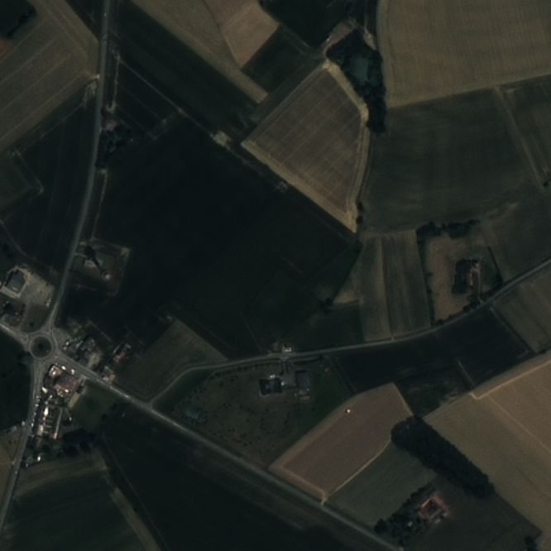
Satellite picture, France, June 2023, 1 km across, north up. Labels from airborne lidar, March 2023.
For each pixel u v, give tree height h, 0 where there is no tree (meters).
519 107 0
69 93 0
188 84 0
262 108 0
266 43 0
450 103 0
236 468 0
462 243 0
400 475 0
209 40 0
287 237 0
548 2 0
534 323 0
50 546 0
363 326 0
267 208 0
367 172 0
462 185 0
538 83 0
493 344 0
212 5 0
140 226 0
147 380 0
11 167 0
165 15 0
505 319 0
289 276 0
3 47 0
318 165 0
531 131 0
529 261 0
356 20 0
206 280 0
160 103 0
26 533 0
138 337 0
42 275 0
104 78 0
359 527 0
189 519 0
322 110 0
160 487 0
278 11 0
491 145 0
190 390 0
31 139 0
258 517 0
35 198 0
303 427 0
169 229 0
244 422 0
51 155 0
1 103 0
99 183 0
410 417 0
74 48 0
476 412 0
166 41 0
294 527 0
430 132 0
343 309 0
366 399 0
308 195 0
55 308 0
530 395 0
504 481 0
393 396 0
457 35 0
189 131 0
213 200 0
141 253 0
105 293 0
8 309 17
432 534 0
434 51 0
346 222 0
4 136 0
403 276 0
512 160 0
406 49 0
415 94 0
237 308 0
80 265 0
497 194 0
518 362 0
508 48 0
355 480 0
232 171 0
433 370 0
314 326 0
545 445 0
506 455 0
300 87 0
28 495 0
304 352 0
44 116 0
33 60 0
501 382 0
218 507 0
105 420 7
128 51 0
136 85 0
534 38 0
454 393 0
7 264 0
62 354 0
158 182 0
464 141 0
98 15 0
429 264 0
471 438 0
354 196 0
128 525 0
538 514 0
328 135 0
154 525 0
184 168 0
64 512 0
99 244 0
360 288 0
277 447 0
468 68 0
